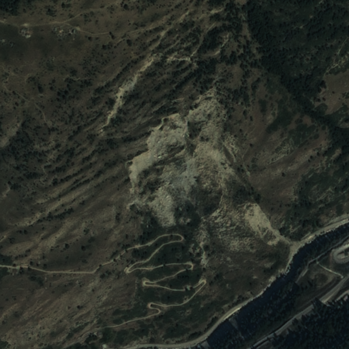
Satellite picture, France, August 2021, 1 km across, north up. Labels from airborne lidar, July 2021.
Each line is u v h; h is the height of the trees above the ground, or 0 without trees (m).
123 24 0
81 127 7
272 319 29
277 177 0
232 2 10
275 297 21
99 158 0
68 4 0
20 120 0
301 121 0
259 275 0
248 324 15
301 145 0
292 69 0
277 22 0
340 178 0
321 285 0
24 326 0
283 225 0
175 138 0
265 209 0
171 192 0
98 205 0
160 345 0
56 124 0
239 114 0
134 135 0
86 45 0
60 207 0
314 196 0
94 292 7
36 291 0
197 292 0
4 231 0
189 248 0
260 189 0
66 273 0
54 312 0
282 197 0
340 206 0
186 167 0
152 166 0
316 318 13
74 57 0
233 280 0
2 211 0
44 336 0
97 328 0
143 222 0
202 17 0
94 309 0
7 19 0
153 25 0
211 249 0
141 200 0
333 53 0
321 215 0
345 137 22
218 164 0
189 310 0
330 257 0
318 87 9
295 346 26
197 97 0
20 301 0
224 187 0
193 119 0
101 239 0
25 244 0
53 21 0
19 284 0
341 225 0
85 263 0
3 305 0
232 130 0
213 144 0
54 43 0
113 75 0
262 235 0
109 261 0
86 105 0
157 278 0
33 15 0
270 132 0
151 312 0
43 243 0
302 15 0
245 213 0
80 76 0
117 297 0
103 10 0
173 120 0
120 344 0
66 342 0
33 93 0
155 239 0
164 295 0
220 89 10
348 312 21
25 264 0
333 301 0
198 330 0
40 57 0
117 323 0
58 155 6
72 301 0
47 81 0
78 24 0
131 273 0
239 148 0
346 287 0
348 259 0
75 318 0
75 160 0
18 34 0
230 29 10
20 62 0
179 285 0
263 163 0
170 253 0
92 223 0
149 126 0
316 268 0
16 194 0
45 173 0
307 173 0
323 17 15
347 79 0
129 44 12
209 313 0
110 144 8
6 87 0
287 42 13
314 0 13
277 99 0
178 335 0
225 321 0
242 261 0
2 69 0
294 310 21
